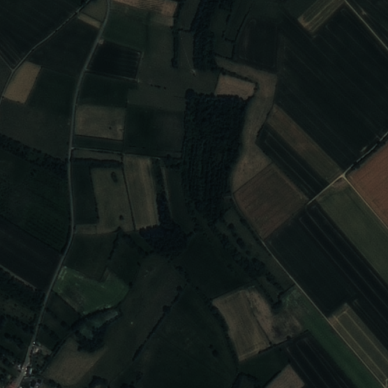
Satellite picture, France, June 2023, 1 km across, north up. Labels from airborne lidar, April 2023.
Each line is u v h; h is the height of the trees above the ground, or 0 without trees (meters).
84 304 0
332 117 0
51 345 0
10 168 0
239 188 0
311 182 0
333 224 0
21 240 0
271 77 0
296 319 0
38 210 0
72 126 0
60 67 0
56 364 0
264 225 0
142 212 0
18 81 0
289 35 0
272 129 0
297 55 0
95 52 0
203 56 21
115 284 0
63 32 0
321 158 0
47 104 0
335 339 0
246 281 0
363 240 0
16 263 0
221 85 0
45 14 0
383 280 0
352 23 0
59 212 0
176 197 0
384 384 0
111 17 0
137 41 0
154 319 0
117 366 0
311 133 0
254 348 0
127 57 0
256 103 0
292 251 0
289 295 0
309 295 0
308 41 0
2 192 0
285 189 0
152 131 0
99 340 10
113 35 0
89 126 0
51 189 0
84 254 0
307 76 0
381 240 0
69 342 0
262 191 0
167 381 0
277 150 0
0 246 0
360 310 0
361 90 0
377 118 0
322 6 0
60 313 0
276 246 0
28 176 0
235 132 12
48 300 0
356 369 0
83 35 0
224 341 0
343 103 0
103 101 0
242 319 0
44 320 0
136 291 0
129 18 0
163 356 0
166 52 0
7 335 17
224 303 0
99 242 0
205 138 7
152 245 32
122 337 0
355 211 0
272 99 0
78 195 0
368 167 0
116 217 0
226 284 0
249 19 0
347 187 0
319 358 0
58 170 13
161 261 0
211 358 0
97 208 6
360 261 0
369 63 0
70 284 0
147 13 0
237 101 20
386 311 0
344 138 0
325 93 0
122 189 0
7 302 0
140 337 0
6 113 0
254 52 0
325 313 0
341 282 0
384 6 0
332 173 0
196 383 0
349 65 0
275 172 0
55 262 0
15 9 0
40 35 0
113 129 0
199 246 0
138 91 0
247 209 0
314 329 0
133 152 0
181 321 0
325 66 0
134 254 0
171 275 0
